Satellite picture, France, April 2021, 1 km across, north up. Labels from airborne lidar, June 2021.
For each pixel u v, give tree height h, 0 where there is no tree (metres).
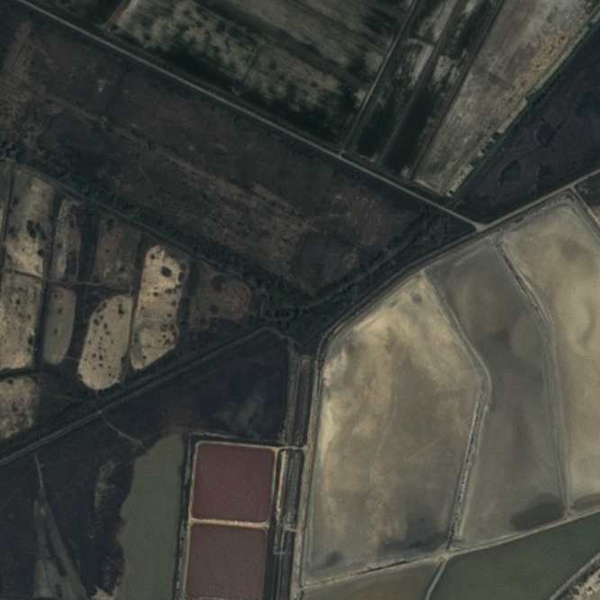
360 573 0
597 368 0
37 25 0
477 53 0
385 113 0
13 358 0
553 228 0
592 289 0
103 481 0
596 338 0
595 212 0
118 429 0
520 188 0
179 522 0
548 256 0
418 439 0
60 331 0
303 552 0
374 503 0
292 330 7
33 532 0
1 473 0
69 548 0
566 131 0
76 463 0
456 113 0
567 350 0
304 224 0
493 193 0
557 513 0
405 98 0
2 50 0
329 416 0
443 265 0
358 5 0
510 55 0
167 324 0
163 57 0
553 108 0
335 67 0
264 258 0
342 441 0
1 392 0
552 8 0
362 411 0
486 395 0
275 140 0
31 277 0
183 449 0
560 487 0
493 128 0
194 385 0
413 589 0
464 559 0
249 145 0
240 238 0
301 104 0
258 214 0
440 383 0
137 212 12
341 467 0
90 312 0
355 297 10
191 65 0
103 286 0
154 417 0
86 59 0
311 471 0
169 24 0
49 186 0
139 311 0
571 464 0
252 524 0
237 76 0
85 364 0
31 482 0
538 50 0
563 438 0
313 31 0
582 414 0
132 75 0
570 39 0
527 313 0
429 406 0
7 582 0
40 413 0
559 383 0
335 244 0
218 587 0
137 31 0
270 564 0
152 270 0
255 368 0
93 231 7
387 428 0
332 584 0
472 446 0
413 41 0
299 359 0
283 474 0
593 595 0
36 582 0
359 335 0
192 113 0
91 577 0
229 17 0
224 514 0
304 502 0
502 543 0
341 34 0
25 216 0
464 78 0
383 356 0
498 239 0
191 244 7
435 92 0
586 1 0
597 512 0
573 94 0
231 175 0
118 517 0
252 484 0
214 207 0
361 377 0
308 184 0
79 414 6
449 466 0
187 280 0
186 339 0
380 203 0
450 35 0
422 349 0
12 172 0
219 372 0
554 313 0
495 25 0
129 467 0
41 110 0
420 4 0
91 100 0
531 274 0
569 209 0
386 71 0
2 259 0
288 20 0
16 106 0
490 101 0
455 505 0
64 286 0
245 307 0
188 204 0
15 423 0
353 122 0
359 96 0
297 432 0
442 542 0
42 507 0
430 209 9
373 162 0
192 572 0
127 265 0
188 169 0
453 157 0
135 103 0
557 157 0
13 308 0
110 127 0
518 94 0
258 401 0
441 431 0
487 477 0
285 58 0
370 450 0
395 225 0
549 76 0
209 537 0
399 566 0
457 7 0
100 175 0
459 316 0
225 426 0
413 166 0
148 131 0
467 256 0
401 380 0
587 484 0
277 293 14
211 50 0
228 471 0
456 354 0
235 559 0
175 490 0
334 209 0
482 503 0
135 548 0
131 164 0
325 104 0
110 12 0
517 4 0
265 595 0
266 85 0
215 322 0
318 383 0
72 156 0
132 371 0
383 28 0
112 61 0
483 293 0
